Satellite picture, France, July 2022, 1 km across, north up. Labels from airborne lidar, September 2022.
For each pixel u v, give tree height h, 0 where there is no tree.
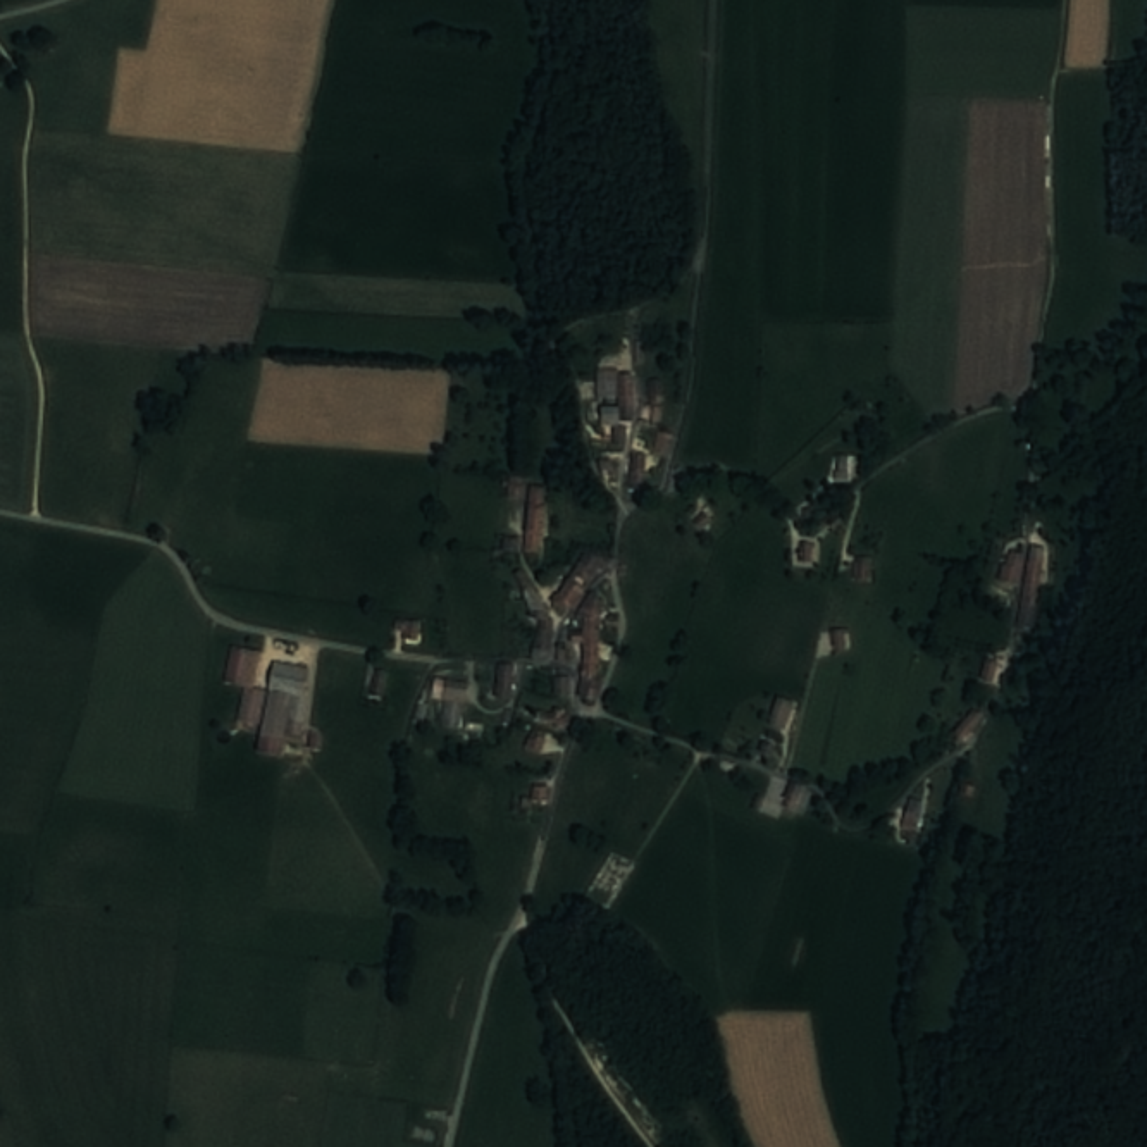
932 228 0
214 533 0
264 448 0
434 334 0
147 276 0
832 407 0
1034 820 14
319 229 0
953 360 0
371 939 0
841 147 0
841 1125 0
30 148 0
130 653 0
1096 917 14
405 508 0
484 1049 0
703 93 0
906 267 0
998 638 0
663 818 0
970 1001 14
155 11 0
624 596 0
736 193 0
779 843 0
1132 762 13
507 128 0
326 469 0
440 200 0
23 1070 0
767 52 0
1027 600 0
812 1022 0
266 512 0
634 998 6
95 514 0
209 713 0
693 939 0
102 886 0
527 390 26
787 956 0
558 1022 17
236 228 0
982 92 0
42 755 0
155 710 0
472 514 0
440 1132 0
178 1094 0
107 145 0
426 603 0
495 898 0
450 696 0
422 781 0
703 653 0
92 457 0
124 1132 0
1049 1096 13
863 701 0
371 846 0
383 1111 0
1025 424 17
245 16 0
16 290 0
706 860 0
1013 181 0
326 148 0
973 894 22
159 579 0
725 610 0
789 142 0
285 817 0
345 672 0
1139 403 13
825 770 0
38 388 0
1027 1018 18
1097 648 16
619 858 0
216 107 0
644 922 0
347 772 0
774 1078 0
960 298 0
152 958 0
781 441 0
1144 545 12
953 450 0
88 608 0
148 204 0
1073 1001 16
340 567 0
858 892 0
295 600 0
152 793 0
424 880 0
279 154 0
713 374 0
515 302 0
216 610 0
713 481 24
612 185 20
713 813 0
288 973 0
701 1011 21
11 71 15
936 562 9
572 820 0
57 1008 0
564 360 19
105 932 0
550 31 20
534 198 25
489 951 0
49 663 0
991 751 0
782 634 0
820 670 0
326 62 0
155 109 0
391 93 0
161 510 0
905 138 0
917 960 17
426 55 0
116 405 0
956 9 0
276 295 0
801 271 0
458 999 0
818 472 0
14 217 0
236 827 0
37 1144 0
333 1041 0
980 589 9
